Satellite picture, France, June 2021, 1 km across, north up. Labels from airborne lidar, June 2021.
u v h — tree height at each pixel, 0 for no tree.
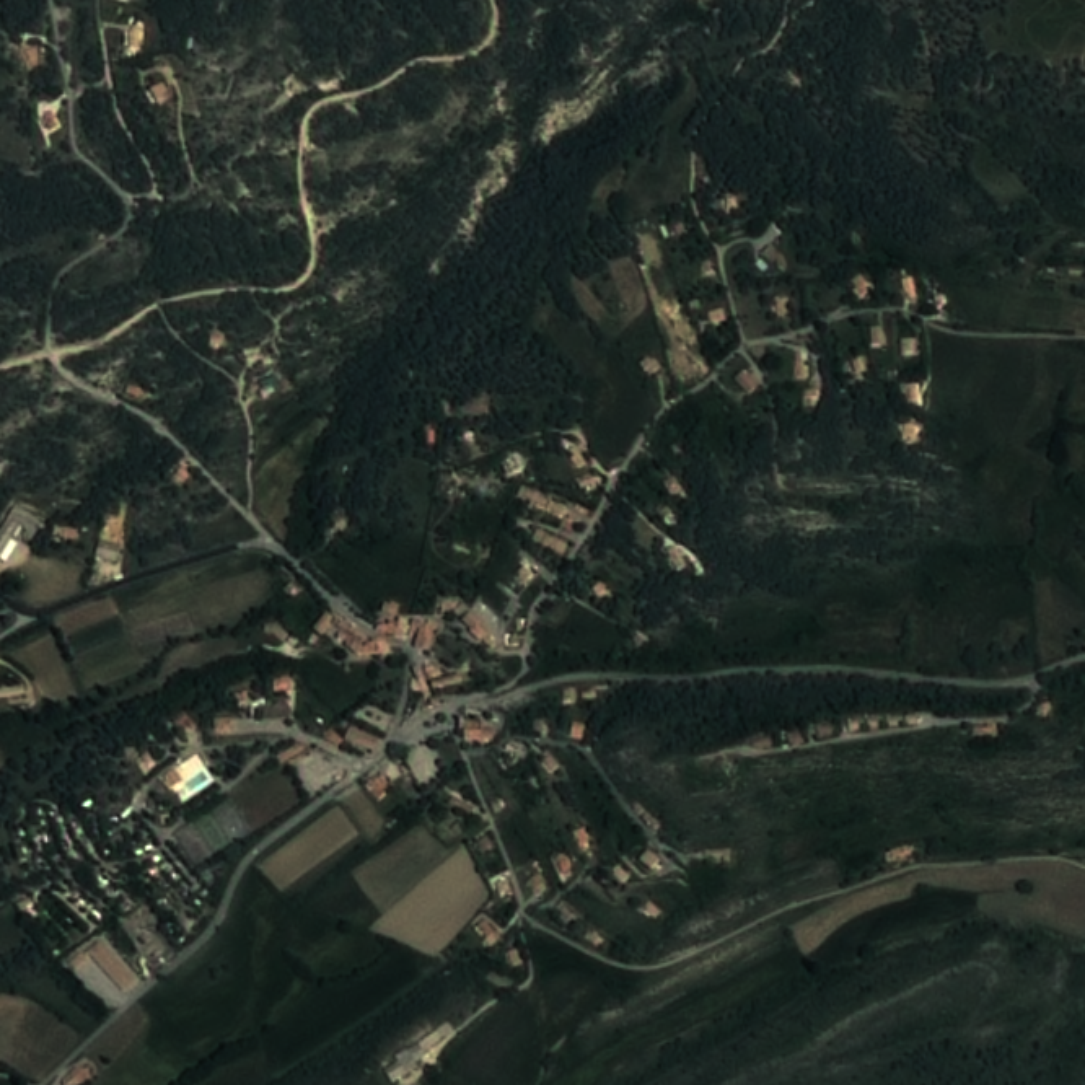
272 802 0
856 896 0
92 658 0
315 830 0
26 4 8
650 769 0
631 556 7
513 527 7
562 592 15
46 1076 0
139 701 13
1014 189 0
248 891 0
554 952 0
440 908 0
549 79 7
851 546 6
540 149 9
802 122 10
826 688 13
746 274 7
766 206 10
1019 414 0
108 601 0
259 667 8
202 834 0
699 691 9
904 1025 0
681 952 0
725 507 7
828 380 11
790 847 0
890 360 0
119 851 9
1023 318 0
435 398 6
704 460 5
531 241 7
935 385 0
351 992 0
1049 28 0
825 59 8
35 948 10
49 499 0
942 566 0
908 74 10
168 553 0
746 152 14
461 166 8
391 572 0
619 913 0
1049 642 0
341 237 8
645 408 0
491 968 8
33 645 0
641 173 0
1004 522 0
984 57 10
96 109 8
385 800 0
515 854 0
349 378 12
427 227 8
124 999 0
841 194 7
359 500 7
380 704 9
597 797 7
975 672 8
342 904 0
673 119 0
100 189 7
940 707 11
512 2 6
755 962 0
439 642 7
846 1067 0
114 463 9
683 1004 0
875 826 0
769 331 7
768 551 6
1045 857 0
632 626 7
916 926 0
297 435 0
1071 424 10
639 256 7
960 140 9
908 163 6
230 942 0
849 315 0
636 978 0
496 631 0
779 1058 0
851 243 8
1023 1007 0
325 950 0
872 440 7
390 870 0
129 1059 0
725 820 7
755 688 11
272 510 0
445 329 9
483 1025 0
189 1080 11
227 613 0
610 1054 0
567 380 8
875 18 7
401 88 8
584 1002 0
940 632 0
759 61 7
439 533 7
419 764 0
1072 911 0
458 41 8
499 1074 0
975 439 0
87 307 6
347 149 0
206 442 6
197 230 7
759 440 7
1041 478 0
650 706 11
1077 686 5
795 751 5
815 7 7
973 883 0
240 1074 0
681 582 8
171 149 6
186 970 0
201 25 7
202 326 6
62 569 0
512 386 17
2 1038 0
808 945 0
